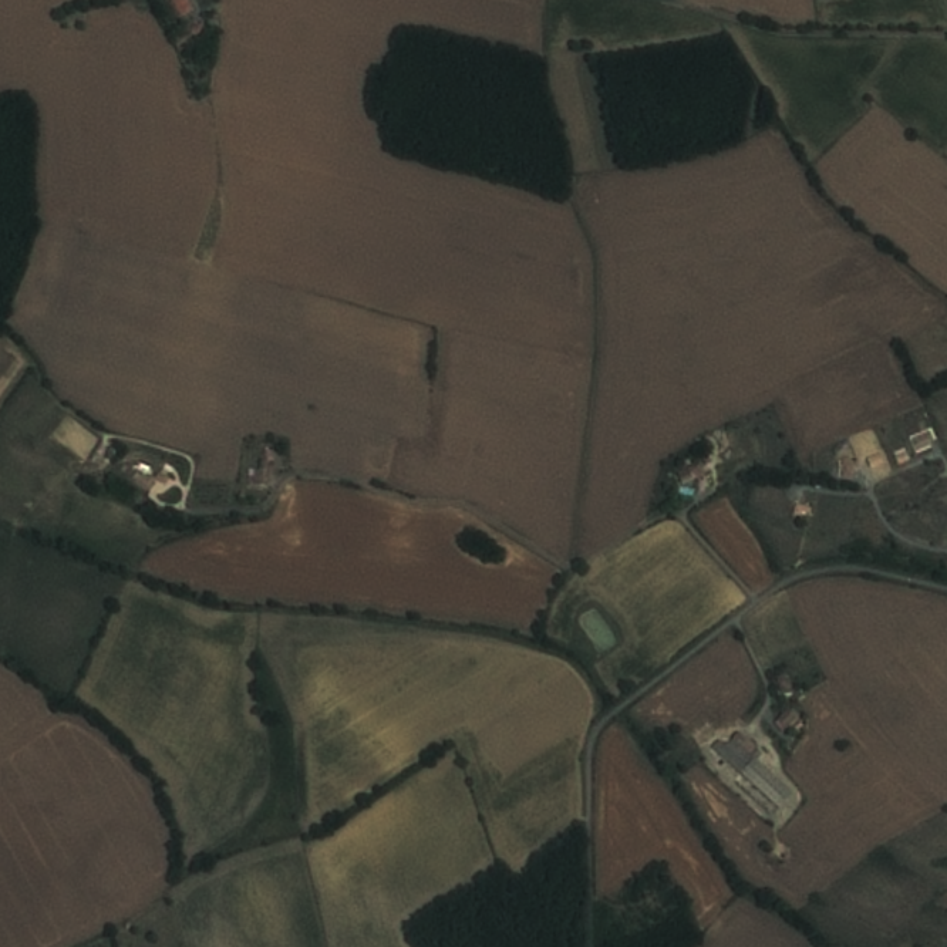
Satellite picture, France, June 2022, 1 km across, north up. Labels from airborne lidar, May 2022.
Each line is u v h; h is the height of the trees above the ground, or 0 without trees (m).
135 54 0
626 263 0
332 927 0
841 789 0
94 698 0
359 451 0
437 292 0
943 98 0
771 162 0
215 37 10
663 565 0
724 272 0
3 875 0
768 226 0
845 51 0
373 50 0
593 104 0
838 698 0
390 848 0
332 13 0
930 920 0
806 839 0
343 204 0
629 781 0
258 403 0
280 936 0
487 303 0
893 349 10
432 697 0
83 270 0
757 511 0
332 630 0
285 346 0
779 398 0
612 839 0
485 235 0
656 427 0
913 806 0
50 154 0
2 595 0
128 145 0
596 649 0
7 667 12
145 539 0
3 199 16
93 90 0
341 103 0
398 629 0
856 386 0
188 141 0
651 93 20
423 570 0
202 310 0
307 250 0
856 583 0
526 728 0
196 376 0
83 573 0
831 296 0
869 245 0
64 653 0
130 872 0
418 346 0
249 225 0
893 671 0
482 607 0
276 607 15
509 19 0
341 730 0
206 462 0
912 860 0
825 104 0
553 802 0
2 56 0
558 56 0
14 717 0
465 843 0
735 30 0
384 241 0
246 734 0
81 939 0
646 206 0
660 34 0
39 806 0
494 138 15
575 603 0
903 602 0
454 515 0
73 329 0
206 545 0
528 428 0
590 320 0
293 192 0
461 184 0
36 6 0
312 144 0
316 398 0
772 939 0
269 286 0
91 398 0
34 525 0
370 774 0
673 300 0
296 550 0
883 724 0
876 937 0
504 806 0
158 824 0
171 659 0
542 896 22
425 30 14
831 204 7
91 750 0
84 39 0
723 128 16
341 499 0
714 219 0
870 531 0
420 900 0
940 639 0
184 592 13
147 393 0
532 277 0
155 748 0
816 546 0
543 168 18
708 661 0
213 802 0
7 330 11
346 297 0
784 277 0
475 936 13
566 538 0
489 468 0
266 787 0
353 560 0
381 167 0
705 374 0
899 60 0
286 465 0
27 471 0
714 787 0
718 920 0
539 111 18
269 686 0
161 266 0
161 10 16
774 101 11
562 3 0
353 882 0
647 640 0
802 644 0
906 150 0
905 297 0
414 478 0
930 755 0
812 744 0
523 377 0
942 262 0
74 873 0
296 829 0
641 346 0
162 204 0
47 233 0
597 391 0
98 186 0
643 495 0
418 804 0
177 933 0
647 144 19
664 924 7
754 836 0
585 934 19
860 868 0
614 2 0
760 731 0
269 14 0
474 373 0
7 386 0
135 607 0
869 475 0
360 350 0
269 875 0
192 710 0
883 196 0
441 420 0
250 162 0
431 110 15
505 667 0
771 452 0
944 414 0
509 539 0
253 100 0
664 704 0
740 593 0
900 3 0
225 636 0
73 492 0
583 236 0
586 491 0
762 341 0
